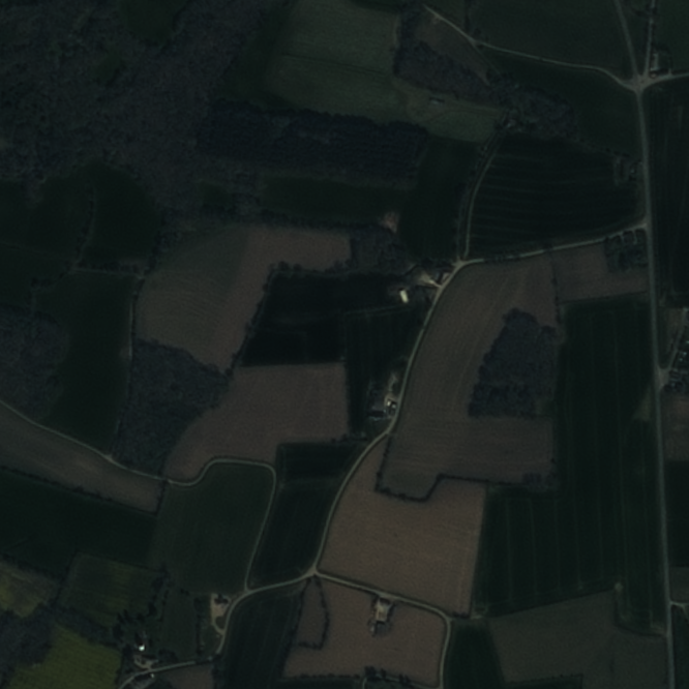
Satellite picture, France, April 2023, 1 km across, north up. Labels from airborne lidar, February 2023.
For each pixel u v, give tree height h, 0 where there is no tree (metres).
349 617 0
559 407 0
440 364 0
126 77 7
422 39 0
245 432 0
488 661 0
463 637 0
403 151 17
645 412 0
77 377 0
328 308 0
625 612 0
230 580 0
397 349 0
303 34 0
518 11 0
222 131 18
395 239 9
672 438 0
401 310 0
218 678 15
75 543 0
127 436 17
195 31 19
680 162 0
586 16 0
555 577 0
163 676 0
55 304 0
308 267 0
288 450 0
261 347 0
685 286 0
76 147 19
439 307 0
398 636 0
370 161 17
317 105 0
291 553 0
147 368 23
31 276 0
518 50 0
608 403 0
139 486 0
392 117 0
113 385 0
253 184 24
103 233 0
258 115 17
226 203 0
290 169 18
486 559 0
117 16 10
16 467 0
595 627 0
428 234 0
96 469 0
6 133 17
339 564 0
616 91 0
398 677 0
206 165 19
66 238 0
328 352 0
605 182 0
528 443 0
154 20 0
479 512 0
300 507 0
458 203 14
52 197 0
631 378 0
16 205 0
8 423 0
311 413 0
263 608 0
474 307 0
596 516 0
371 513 0
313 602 0
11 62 11
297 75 0
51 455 0
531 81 0
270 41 0
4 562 12
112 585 0
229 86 0
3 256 0
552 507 0
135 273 12
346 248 0
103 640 7
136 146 20
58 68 15
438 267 7
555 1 0
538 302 0
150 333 0
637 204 0
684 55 0
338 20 0
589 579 0
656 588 0
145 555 0
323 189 0
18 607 0
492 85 9
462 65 0
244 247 0
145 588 0
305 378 0
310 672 0
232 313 0
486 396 7
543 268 0
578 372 0
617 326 0
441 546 0
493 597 0
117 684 8
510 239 0
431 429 0
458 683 0
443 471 0
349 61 0
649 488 0
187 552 0
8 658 17
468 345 0
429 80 20
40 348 21
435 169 0
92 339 0
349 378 0
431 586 0
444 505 0
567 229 0
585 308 0
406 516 0
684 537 0
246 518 0
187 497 0
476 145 0
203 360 0
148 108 14
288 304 0
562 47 0
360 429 0
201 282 0
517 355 19
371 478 0
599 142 0
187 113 17
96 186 0
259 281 0
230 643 0
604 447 0
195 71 20
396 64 24
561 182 0
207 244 0
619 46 0
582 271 0
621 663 0
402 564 0
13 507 0
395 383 0
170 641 0
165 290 0
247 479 0
